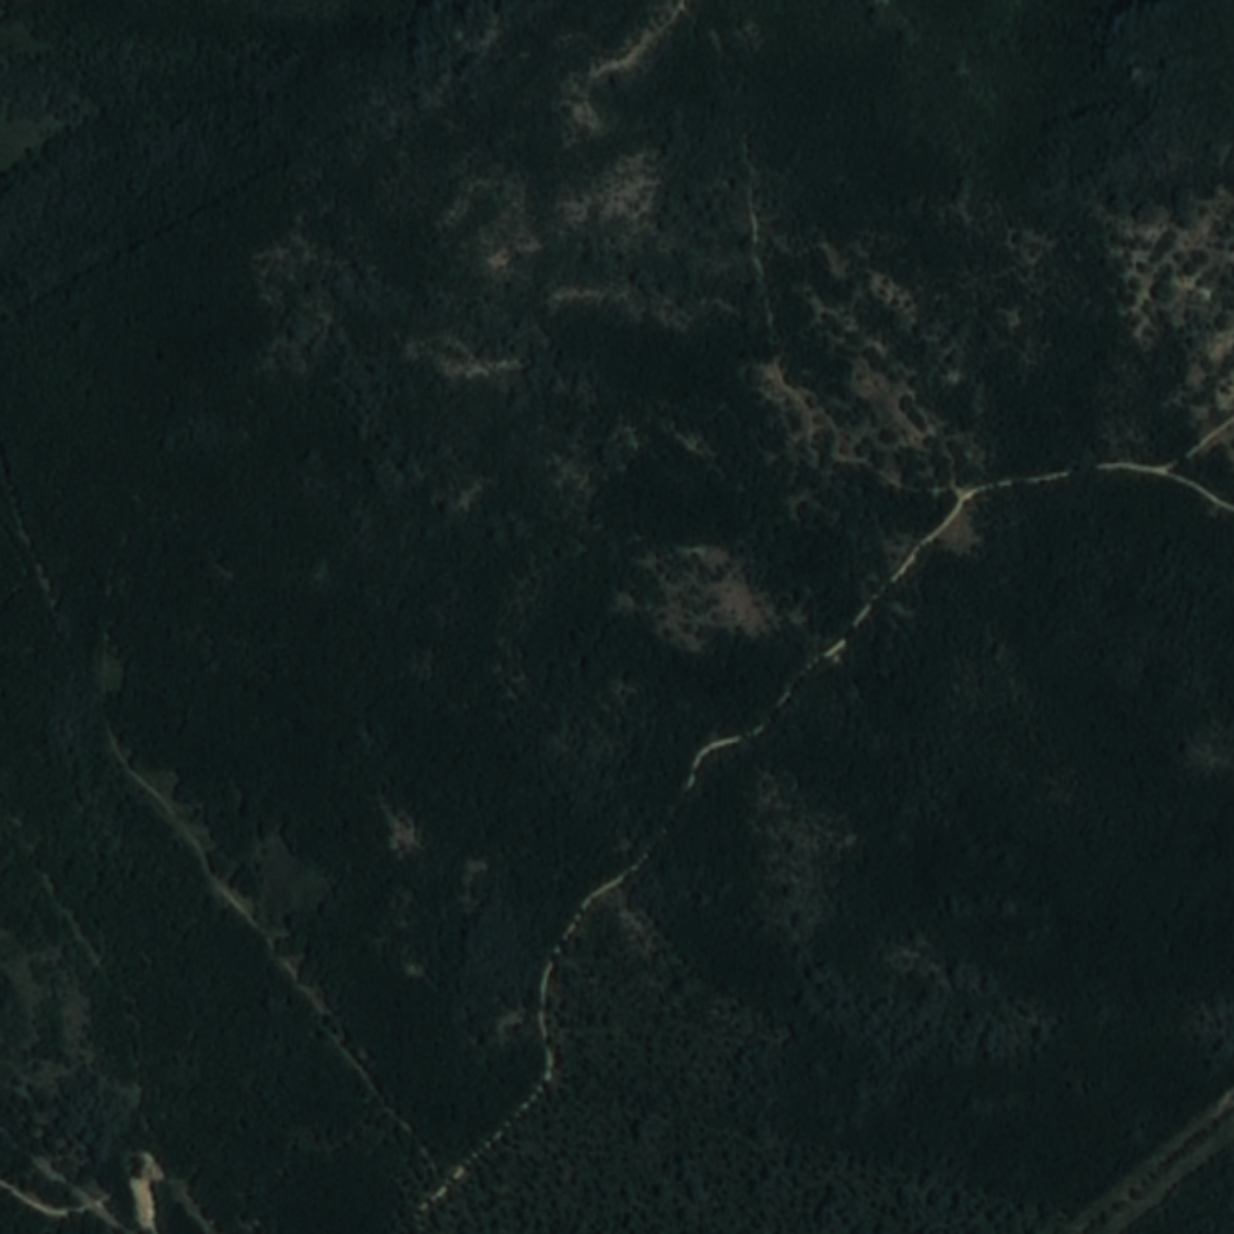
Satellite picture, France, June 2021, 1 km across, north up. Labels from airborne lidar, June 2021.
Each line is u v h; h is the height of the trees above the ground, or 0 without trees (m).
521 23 6
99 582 10
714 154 11
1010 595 12
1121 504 12
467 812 11
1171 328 7
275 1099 16
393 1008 13
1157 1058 14
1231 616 9
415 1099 16
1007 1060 10
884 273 6
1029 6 14
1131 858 10
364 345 7
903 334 9
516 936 14
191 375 8
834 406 8
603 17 7
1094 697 14
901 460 11
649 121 6
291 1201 15
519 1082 14
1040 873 11
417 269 8
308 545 10
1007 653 7
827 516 11
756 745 13
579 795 14
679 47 8
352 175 8
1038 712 8
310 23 16
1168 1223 12
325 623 12
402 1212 14
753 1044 8
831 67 10
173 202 14
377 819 8
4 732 15
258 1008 13
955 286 7
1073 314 9
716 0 9
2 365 13
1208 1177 12
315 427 10
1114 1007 7
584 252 5
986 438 7
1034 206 8
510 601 7
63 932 12
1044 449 11
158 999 13
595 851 7
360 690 11
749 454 13
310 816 15
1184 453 8
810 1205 12
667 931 11
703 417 9
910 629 7
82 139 18
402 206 7
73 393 11
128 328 13
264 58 20
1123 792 9
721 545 7
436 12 17
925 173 11
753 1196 9
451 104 6
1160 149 7
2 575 11
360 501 8
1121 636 14
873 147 9
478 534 8
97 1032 8
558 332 9
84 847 9
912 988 9
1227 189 7
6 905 14
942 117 7
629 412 10
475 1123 16
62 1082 12
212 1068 12
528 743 12
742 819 8
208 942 15
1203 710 11
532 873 12
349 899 15
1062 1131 10
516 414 7
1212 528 11
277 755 14
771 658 12
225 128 16
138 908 11
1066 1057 14
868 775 12
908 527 8
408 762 15
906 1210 15
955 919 12
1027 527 11
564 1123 11
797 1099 10
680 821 11
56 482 8
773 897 6
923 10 9
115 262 12
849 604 12
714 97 9
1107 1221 7
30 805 14
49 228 16
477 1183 16
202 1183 15
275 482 8
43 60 13
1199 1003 7
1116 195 16
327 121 7
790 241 6
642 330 9
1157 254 6
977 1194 11
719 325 10
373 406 19
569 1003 8
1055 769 9
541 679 11
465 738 10
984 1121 9
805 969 7
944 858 12
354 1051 17
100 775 13
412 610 10
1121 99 9
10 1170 11
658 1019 8
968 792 12
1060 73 18
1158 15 11
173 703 10
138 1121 13
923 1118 11
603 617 12
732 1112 10
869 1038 18
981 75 11
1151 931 13
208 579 10
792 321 11
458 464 7
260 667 8
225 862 10
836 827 6
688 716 7
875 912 11
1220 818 12
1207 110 10
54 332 9
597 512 12
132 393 13
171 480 11
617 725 8
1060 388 13
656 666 11
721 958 12
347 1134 16
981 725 9
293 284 6
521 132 6
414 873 11
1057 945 12
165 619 10
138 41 11
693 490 14
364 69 9
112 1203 11
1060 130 10
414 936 9
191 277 11
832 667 8
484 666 11
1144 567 9
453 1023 14
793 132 12
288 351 5
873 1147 11
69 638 14
